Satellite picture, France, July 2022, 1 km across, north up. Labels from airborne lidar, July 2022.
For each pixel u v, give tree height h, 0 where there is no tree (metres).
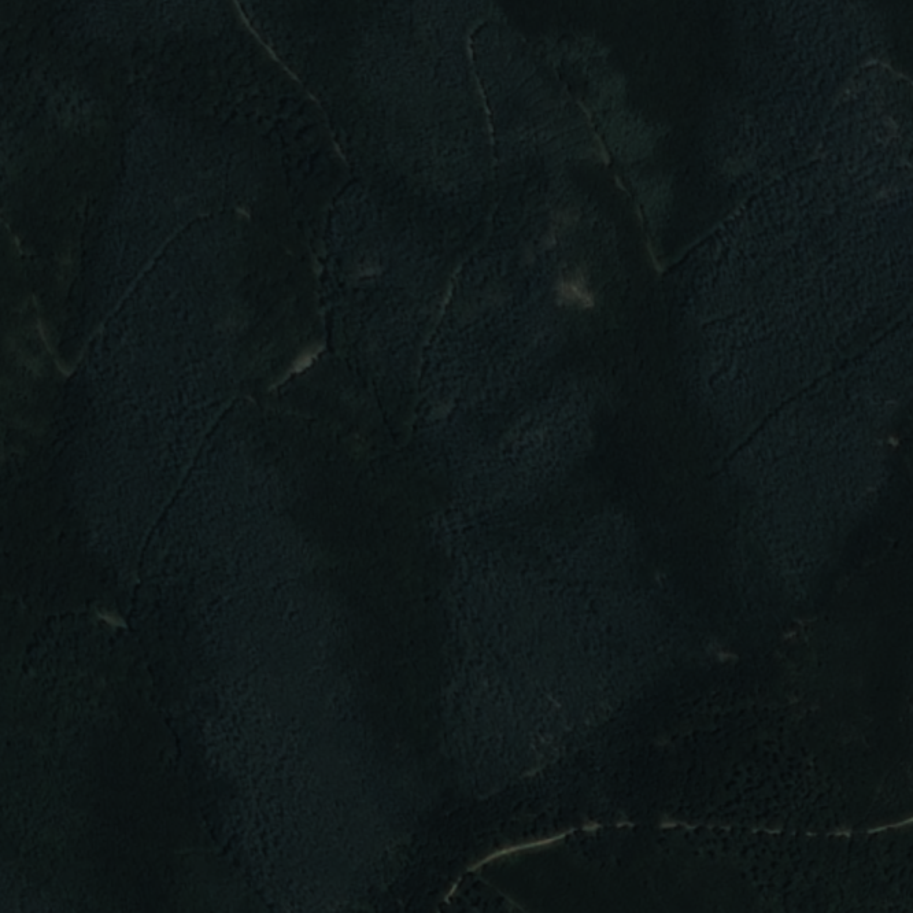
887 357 11
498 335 11
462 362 9
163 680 29
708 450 11
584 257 14
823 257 14
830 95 15
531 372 14
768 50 17
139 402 10
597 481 16
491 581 16
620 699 7
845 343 13
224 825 16
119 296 14
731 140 10
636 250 18
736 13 17
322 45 12
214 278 10
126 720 13
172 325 7
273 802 15
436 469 16
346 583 17
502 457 9
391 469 20
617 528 14
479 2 17
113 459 13
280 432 13
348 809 13
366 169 13
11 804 10
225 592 14
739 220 11
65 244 21
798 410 15
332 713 9
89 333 10
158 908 22
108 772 9
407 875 17
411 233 16
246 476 17
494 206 9
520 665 11
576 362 15
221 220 11
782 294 7
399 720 19
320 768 9
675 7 32
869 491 8
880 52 16
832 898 10
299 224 16
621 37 20
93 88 16
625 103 15
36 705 9
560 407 12
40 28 19
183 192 7
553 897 7
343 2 16
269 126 16
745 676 14
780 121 12
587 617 16
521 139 8
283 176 25
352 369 20
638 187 19
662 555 12
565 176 16
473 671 15
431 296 8
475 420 9
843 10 13
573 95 16
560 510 18
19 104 12
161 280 9
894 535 19
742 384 11
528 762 13
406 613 9
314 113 21
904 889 18
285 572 11
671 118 21
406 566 7
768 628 10
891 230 14
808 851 16
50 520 22
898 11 17
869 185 11
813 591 8
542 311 10
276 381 12
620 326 16
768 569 11
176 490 9
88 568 12
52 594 11
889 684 10
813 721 9
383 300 10
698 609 9
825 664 6
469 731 13
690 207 23
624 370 21
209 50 13
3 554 29
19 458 22
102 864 13
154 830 9
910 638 10
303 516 26
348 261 14
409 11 16
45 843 8
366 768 12
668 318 22
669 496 21
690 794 20
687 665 10
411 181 10
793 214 12
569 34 17
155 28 12
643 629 16
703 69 24
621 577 16
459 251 8
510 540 15
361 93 8
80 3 17
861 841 17
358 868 11
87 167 18
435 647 16
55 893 7
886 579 10
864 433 9
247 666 13
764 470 13
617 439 23
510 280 9
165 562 8
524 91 15
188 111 21
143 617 17
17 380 6
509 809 14
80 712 7
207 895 7
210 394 12
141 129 11
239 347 10
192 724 15
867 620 7
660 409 25
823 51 14
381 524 25
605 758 17
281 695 9
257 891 10
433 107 11
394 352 9
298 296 9
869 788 11
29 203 20
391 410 20
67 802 10
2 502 26
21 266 19
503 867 9
